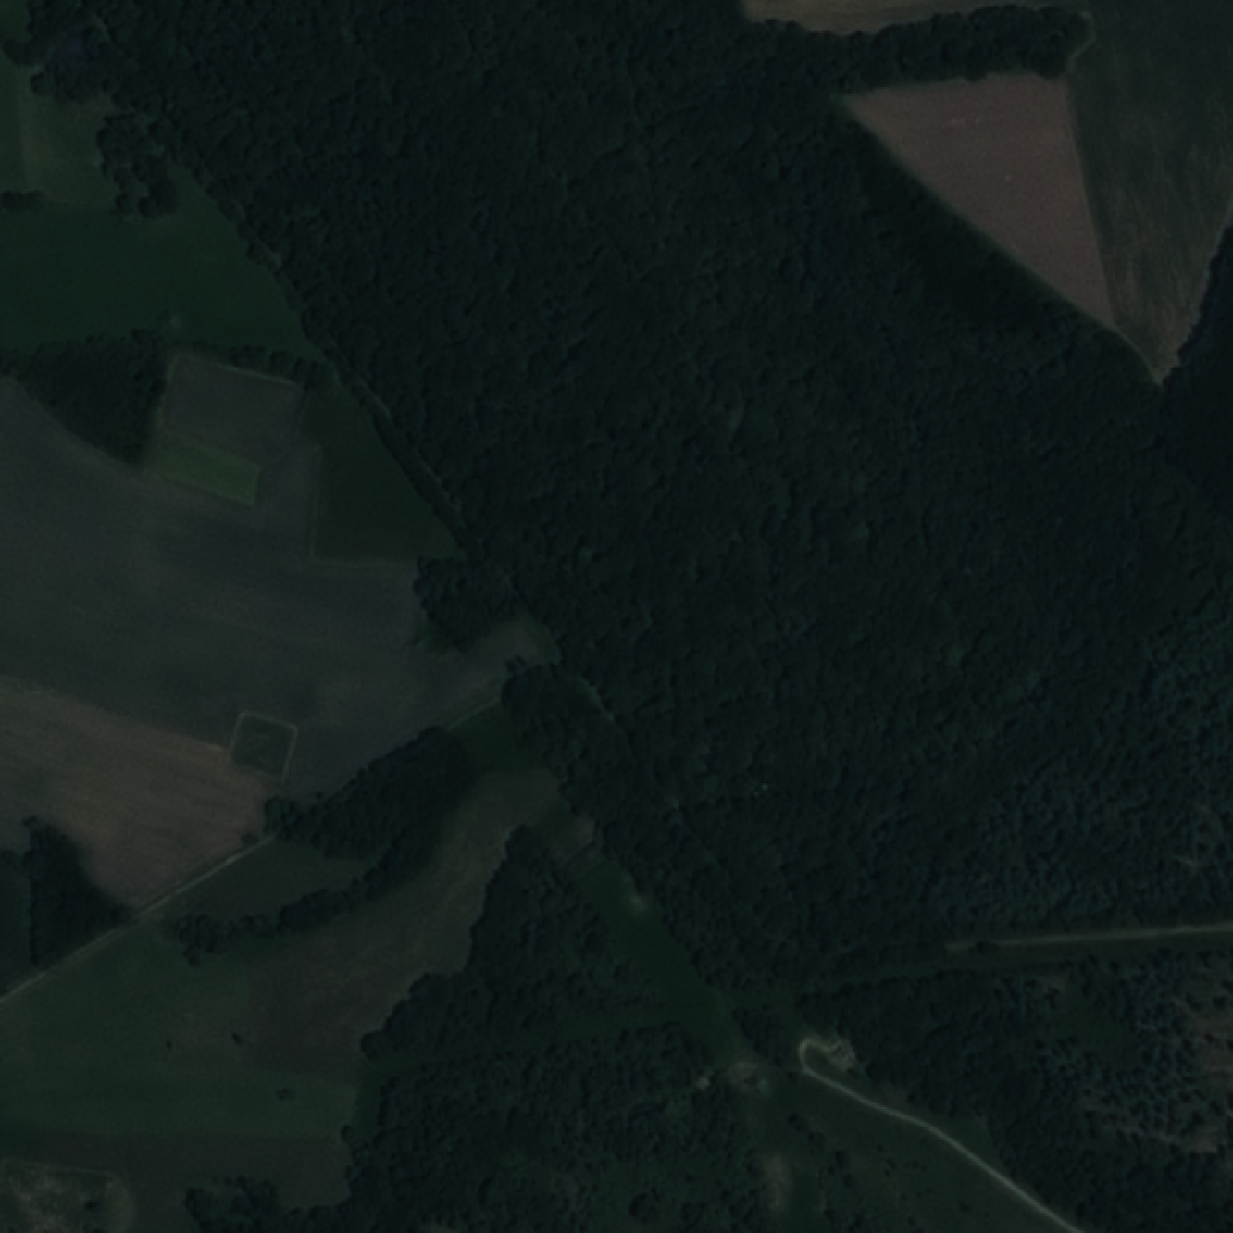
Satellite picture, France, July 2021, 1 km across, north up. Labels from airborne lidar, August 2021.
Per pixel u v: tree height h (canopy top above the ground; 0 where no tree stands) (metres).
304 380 18
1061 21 23
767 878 25
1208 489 28
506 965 24
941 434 24
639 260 24
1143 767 25
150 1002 0
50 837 22
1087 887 24
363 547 0
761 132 30
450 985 12
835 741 20
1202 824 26
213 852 0
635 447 25
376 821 25
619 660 25
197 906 0
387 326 27
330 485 0
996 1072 24
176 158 18
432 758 21
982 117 0
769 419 26
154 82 24
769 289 19
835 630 25
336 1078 0
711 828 25
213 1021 0
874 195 10
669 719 21
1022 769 22
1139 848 23
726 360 21
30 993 0
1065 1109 17
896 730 25
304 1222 22
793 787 21
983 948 12
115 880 0
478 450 26
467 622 21
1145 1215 23
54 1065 0
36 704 0
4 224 0
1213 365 28
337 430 0
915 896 20
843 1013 17
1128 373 12
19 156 0
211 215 0
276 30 24
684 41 24
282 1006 0
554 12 23
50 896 21
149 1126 0
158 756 0
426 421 9
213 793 0
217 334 0
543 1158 13
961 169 0
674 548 27
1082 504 27
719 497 25
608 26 24
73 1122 0
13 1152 0
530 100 28
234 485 0
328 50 26
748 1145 7
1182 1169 19
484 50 24
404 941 0
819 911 22
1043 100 0
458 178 29
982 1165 0
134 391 6
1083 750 20
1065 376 20
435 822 27
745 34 27
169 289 0
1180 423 32
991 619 19
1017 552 28
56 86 10
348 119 26
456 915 0
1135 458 21
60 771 0
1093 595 32
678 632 26
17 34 0
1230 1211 15
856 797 25
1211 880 20
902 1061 18
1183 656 24
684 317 26
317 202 25
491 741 0
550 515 25
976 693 21
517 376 25
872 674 25
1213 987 27
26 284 0
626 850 21
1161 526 12
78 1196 0
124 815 0
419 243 27
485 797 0
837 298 30
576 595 27
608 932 13
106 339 8
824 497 24
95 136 0
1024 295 11
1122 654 26
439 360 21
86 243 0
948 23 16
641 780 25
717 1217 7
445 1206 19
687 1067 8
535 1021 17
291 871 0
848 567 22
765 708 24
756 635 23
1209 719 22
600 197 25
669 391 23
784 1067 17
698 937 6
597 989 8
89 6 17
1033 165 0
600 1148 18
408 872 26
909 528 23
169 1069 0
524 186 22
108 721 0
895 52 33
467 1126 18
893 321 22
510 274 22
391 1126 20
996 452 29
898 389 26
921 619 22
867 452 23
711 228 29
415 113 28
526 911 25
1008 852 24
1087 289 0
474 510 23
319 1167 0
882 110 0
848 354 30
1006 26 28
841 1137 0
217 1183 8
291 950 0
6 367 16
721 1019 0
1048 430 27
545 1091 18
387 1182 20
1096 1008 6
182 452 0
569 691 24
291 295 7
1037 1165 16
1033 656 26
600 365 28
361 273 24
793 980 16
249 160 19
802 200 19
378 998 0
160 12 26
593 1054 6
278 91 21
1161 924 16
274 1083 0
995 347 25
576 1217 12
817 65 29
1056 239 0
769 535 23
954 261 7
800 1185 0
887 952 15
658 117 23
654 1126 13
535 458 26
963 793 24
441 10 23
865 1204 5
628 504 25
